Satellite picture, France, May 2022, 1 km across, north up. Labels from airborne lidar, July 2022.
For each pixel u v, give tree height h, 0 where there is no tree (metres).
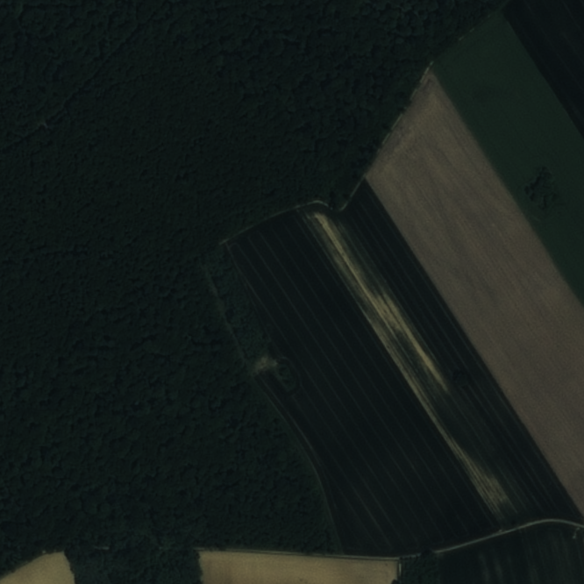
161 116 26
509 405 0
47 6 28
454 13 32
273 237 0
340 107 29
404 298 0
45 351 30
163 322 28
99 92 19
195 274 26
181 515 26
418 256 0
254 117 23
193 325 30
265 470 31
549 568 0
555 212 0
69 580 0
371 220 0
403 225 0
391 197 0
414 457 0
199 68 25
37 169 25
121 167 25
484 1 27
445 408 0
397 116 8
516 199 0
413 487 0
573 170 0
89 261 29
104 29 20
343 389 0
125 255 25
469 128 0
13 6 29
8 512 27
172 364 34
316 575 0
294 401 0
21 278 26
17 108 20
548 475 0
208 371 30
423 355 0
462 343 0
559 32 0
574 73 0
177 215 25
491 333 0
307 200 14
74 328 31
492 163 0
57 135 24
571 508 0
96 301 28
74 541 20
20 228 29
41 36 24
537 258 0
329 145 31
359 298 0
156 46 22
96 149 28
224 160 25
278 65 32
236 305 23
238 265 0
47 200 27
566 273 0
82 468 26
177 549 27
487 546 0
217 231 25
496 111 0
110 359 29
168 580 28
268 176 27
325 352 0
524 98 0
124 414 19
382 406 0
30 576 0
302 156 23
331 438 0
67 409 26
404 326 0
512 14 0
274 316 0
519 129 0
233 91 28
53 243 23
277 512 30
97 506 30
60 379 32
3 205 27
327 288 0
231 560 0
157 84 25
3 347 29
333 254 0
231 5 27
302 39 29
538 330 0
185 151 24
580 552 0
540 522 0
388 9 34
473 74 0
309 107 16
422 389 0
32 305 27
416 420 0
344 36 31
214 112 26
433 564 14
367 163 20
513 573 0
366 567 0
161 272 26
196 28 28
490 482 0
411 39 24
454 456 0
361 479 0
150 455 28
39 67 23
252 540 19
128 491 26
